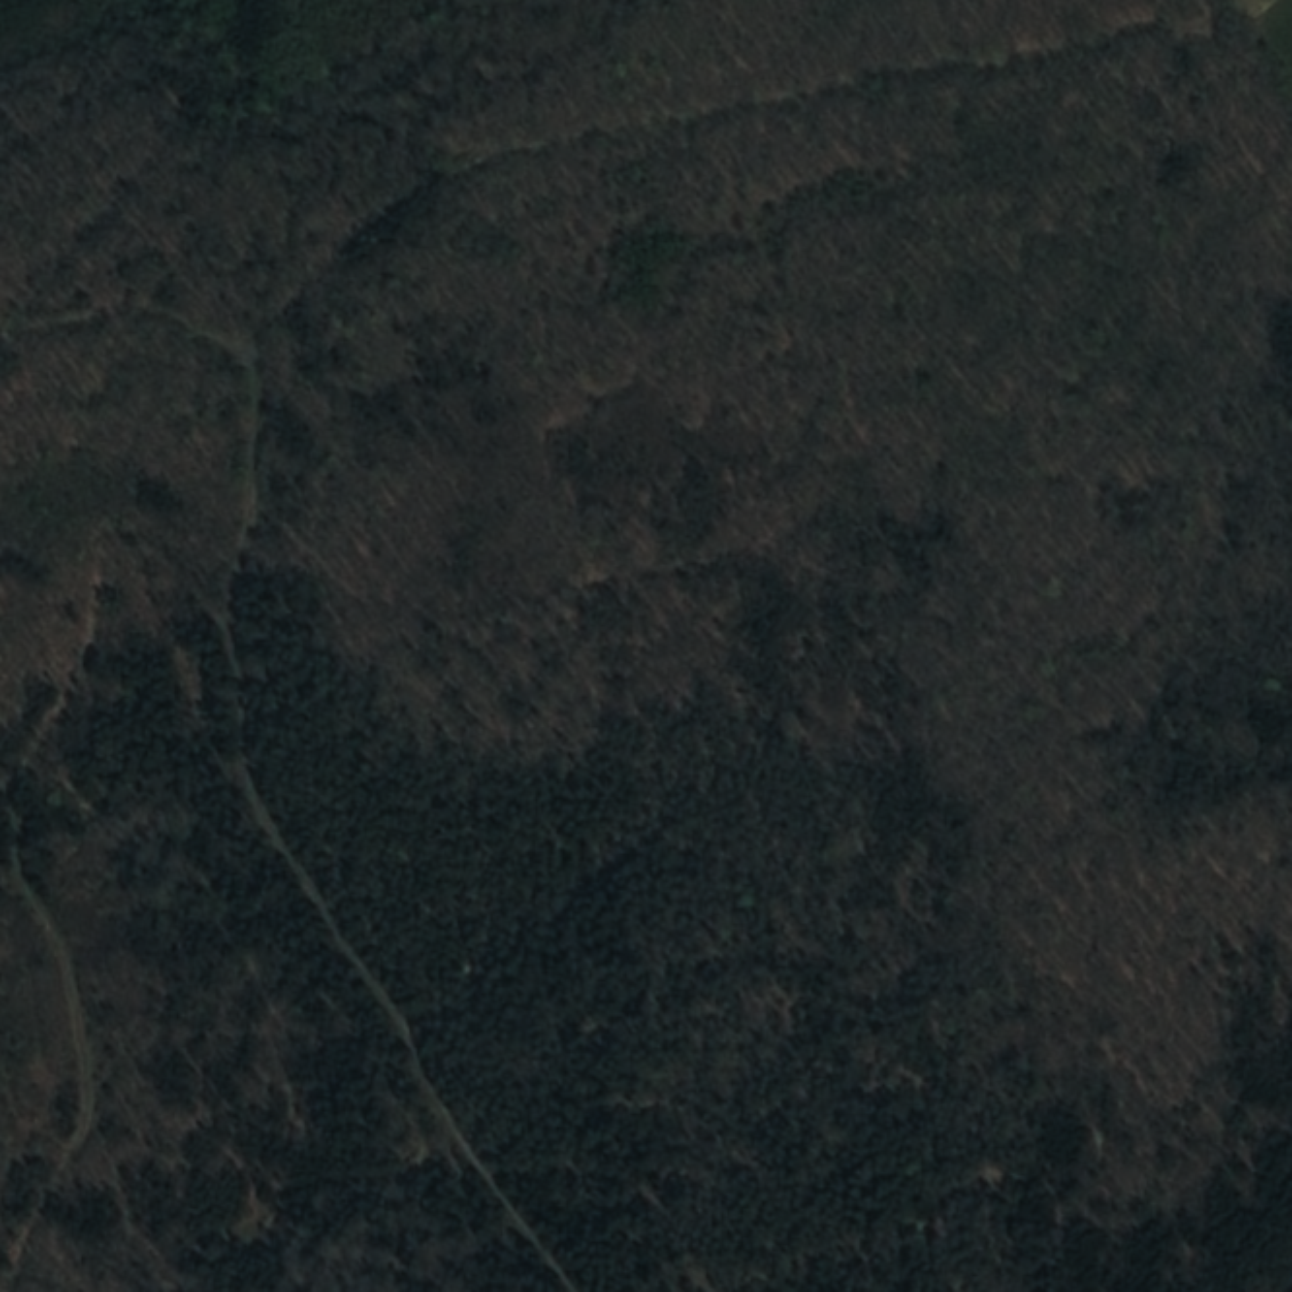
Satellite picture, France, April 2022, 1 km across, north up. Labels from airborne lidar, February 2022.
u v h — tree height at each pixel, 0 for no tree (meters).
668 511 19
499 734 30
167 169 25
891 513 23
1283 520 26
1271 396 25
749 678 23
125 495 22
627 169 13
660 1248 33
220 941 22
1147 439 29
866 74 21
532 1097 31
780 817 34
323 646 32
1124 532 23
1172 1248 20
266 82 16
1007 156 25
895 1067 10
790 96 21
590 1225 8
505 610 18
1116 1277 20
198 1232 23
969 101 26
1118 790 26
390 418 21
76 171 26
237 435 24
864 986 11
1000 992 31
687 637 20
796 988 29
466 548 19
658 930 30
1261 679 24
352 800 24
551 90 25
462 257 23
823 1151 36
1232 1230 23
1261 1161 13
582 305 23
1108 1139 17
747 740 29
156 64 23
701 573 8
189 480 22
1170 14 22
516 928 37
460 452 18
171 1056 19
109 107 26
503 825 29
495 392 21
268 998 19
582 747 29
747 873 34
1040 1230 17
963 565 17
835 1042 9
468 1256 31
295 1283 24
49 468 25
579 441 11
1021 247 29
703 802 35
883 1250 31
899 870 21
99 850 7
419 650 27
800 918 30
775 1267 26
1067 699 26
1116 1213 13
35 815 19
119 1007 16
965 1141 33
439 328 16
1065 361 30
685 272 19
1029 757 27
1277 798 28
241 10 16
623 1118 8
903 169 27
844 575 7
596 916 31
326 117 33
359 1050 23
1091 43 19
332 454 25
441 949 28
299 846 24
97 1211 20
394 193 23
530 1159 27
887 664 18
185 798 27
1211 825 25
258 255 32
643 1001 11
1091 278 28
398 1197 27
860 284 30
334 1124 31
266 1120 19
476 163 0
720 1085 27
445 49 12
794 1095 28
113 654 19
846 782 28
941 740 23
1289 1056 21
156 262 21
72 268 24
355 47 8
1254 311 30
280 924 27
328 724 34
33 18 9
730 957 30
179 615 19
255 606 30
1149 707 27
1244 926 20
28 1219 27
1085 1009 18
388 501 27
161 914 20
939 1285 31
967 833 25
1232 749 20
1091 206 28
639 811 28
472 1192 19
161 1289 29
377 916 30
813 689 20
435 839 29
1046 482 24
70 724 17
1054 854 23
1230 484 26
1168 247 30
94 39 9
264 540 15
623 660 23
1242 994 20
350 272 18
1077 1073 9
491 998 31
